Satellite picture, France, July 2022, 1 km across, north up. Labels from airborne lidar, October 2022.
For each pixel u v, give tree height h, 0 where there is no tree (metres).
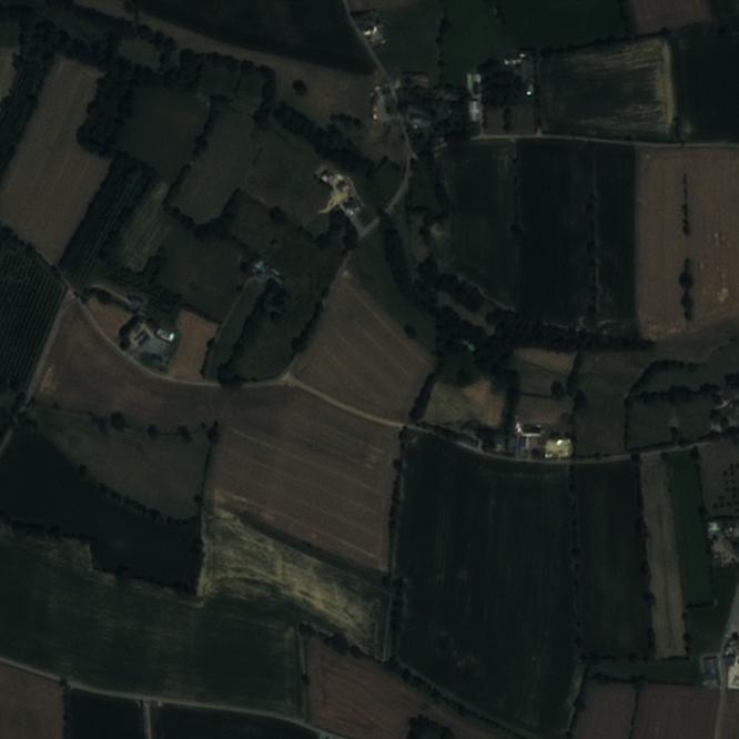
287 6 0
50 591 0
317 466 0
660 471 0
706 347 0
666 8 0
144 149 0
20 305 6
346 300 0
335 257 0
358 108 0
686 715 0
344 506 0
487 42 0
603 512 0
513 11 0
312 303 0
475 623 0
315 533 0
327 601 0
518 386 13
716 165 0
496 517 0
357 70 0
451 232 0
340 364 0
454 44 0
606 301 0
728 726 0
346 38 0
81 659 0
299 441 0
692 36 0
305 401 0
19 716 0
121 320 0
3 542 0
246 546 0
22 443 0
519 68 6
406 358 0
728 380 9
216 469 0
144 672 0
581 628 7
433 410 0
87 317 0
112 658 0
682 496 0
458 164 0
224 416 0
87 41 0
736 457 0
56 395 0
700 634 0
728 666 0
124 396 0
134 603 0
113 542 0
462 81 0
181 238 0
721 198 0
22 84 6
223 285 0
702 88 0
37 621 0
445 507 0
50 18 0
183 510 0
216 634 0
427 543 0
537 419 0
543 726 0
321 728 0
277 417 0
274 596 0
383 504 0
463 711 15
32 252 16
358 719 0
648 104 0
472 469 0
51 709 0
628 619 0
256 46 0
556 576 0
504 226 0
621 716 0
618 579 0
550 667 0
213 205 0
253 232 0
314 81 0
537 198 0
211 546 0
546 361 0
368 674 0
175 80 31
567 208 0
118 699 0
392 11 0
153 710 0
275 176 0
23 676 0
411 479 0
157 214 0
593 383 0
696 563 0
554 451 0
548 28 0
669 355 0
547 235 0
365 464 0
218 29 0
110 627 0
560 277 0
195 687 0
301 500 0
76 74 0
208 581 0
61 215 0
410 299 10
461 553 0
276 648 0
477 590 0
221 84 0
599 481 0
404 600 8
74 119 0
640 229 0
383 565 0
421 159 14
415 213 9
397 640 6
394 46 0
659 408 0
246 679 0
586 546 0
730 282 0
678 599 0
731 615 0
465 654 0
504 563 0
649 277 0
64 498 0
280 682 0
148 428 0
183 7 0
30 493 0
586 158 0
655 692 0
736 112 0
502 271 0
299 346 18
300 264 0
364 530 0
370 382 0
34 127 0
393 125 0
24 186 0
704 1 0
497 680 0
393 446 0
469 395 0
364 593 0
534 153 0
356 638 0
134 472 0
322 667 0
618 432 0
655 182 0
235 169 0
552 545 0
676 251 0
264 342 0
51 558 0
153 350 0
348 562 0
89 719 0
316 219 0
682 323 0
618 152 0
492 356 12
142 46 0
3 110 12
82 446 0
